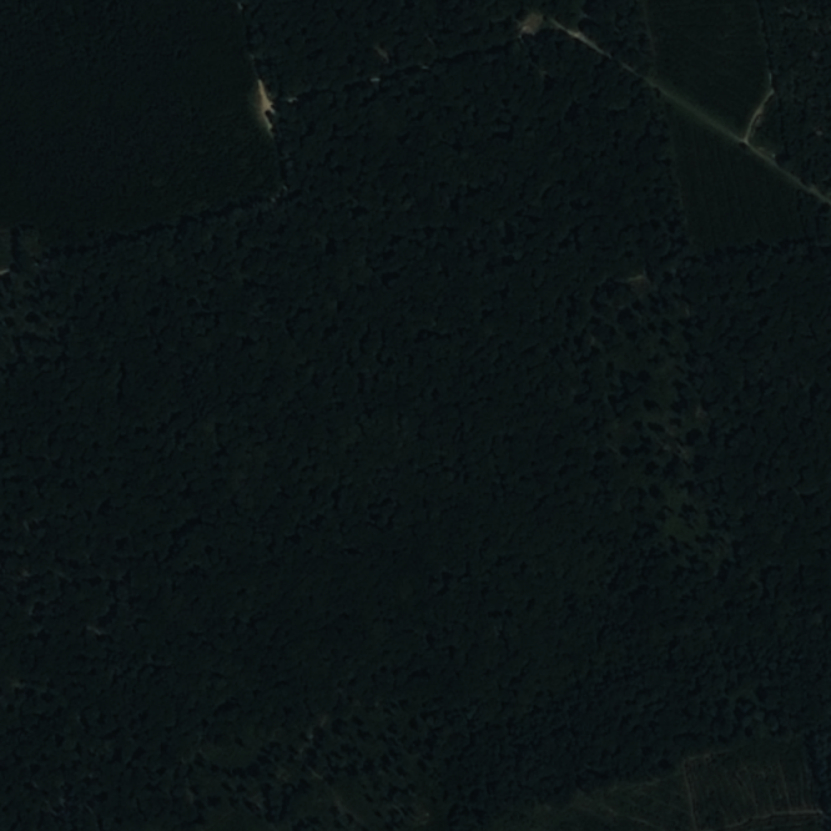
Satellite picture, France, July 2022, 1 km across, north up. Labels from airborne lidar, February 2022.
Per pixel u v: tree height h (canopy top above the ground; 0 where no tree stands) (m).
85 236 8
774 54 16
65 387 29
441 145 28
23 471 29
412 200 30
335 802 0
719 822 8
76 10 10
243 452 29
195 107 8
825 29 15
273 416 27
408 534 26
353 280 31
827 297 24
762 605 21
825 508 30
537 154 29
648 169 28
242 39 7
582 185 32
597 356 27
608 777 26
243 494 29
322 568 29
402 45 29
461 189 31
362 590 29
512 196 30
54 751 29
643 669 26
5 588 29
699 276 31
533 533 27
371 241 32
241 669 26
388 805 27
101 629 28
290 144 26
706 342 27
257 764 0
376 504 19
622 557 24
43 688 28
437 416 28
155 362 28
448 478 29
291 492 31
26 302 26
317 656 30
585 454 29
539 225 30
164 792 26
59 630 29
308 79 24
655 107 25
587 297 29
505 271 31
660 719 30
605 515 29
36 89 13
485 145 28
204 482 29
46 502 28
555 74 27
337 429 30
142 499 28
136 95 12
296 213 28
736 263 29
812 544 28
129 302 28
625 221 28
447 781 22
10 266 0
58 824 31
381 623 24
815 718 25
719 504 26
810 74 22
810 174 24
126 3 7
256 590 26
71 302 27
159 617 27
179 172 8
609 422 26
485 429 27
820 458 24
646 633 21
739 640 23
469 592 28
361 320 31
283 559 30
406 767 32
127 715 26
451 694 29
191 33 9
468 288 28
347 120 28
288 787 26
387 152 30
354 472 29
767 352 24
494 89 28
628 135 28
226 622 28
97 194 13
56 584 26
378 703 29
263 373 28
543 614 21
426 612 30
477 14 28
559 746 29
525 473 26
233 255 30
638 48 26
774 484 29
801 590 21
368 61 26
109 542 30
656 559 23
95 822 27
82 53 10
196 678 28
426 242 31
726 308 28
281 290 27
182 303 29
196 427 27
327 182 28
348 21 28
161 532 22
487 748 19
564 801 29
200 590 28
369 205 31
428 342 26
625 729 30
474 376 30
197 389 25
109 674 28
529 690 27
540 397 31
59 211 11
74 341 27
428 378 27
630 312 0
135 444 27
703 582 18
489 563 26
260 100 0
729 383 30
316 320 29
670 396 0
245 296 29
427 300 31
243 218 25
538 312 24
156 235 24
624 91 27
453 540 31
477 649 28
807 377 24
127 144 14
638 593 9
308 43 25
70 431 27
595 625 25
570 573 28
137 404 29
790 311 26
